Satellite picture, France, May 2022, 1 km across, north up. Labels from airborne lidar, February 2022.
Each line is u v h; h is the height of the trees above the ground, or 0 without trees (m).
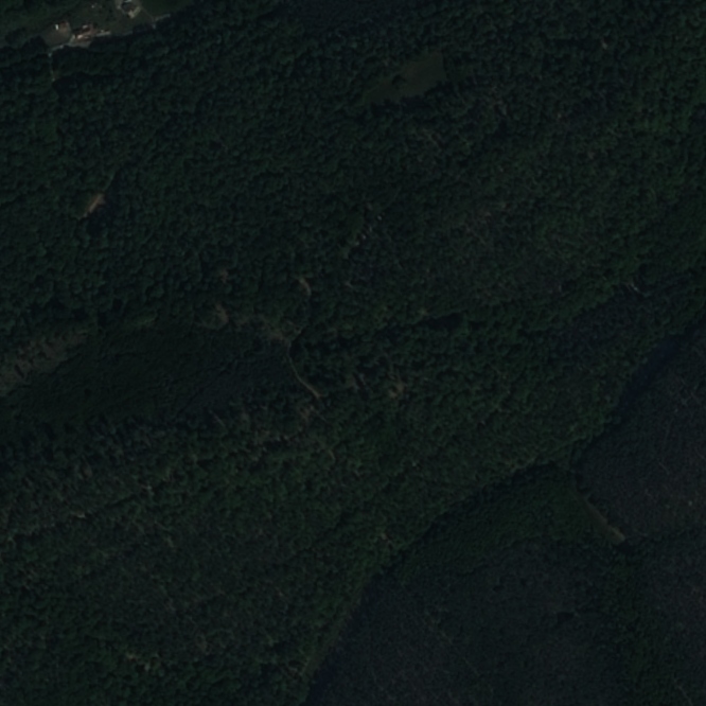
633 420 25
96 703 27
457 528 0
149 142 24
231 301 32
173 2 0
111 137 25
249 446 25
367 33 25
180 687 30
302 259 26
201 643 0
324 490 28
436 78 0
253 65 29
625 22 28
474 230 24
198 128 26
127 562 22
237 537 26
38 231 31
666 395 25
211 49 29
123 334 11
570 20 30
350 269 30
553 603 25
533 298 27
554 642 21
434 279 27
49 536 25
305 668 0
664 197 32
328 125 30
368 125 33
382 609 22
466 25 32
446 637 21
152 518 28
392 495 27
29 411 9
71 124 30
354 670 24
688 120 33
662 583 21
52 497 24
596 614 27
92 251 34
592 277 30
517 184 26
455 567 19
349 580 33
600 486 24
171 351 9
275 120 27
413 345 36
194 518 28
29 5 24
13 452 29
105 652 34
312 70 32
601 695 25
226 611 27
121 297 34
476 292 29
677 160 25
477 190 26
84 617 32
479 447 27
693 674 19
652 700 25
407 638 22
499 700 20
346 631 0
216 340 7
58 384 8
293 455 28
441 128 27
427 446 22
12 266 34
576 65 29
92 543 27
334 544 28
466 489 23
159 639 33
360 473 26
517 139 26
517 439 30
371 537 29
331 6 17
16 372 0
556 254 22
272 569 27
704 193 26
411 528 29
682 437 19
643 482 20
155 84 31
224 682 36
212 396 11
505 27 30
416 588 19
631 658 26
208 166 27
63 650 30
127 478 30
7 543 29
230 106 24
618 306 34
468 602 21
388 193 23
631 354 24
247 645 29
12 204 23
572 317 35
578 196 29
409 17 33
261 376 12
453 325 33
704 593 22
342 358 34
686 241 28
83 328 33
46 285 35
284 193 28
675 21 27
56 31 0
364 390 32
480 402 28
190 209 25
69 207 29
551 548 25
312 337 11
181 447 28
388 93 0
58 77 0
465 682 21
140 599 30
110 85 29
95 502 25
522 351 30
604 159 32
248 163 31
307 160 27
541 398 22
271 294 29
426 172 25
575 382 20
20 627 29
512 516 0
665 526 24
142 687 27
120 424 7
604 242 27
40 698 27
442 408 25
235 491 28
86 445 5
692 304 26
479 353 32
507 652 22
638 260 27
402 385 30
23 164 31
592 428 15
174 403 6
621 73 28
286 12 21
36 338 35
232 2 28
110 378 8
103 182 24
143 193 31
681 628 21
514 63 29
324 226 27
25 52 25
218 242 26
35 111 27
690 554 23
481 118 28
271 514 29
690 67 35
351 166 27
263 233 31
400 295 22
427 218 24
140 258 23
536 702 21
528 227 26
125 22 0
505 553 22
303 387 9
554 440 16
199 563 24
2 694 24
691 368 25
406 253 27
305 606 31
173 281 33
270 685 28
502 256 27
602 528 0
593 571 26
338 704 23
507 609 22
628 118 32
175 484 29
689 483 22
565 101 28
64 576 28
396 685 20
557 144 28
